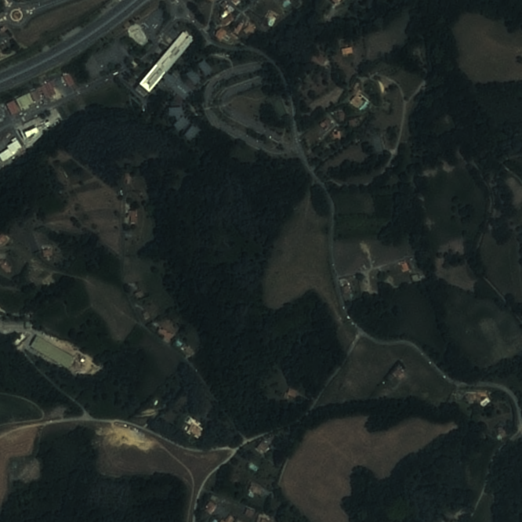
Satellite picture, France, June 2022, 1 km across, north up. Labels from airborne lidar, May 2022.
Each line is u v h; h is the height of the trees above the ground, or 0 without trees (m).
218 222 21
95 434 0
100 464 0
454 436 20
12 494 10
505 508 24
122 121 28
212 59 8
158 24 0
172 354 0
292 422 19
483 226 8
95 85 0
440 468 12
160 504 17
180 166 25
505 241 17
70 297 0
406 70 10
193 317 21
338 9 0
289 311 9
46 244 0
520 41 0
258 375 9
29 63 0
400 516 12
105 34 0
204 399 24
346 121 9
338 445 0
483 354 0
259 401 19
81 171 16
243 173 19
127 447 0
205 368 7
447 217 0
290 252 0
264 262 16
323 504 0
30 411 0
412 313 0
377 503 21
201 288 22
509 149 18
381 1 26
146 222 0
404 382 0
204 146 21
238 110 0
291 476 0
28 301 11
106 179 26
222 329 21
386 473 0
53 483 17
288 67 16
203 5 0
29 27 0
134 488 11
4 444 0
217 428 22
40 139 7
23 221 7
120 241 0
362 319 10
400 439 0
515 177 0
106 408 0
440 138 11
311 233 0
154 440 0
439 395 0
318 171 8
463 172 0
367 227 0
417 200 25
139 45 6
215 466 0
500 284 0
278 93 13
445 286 14
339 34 19
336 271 0
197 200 23
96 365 13
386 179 18
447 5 25
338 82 19
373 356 0
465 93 23
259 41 16
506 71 0
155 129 23
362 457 0
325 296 0
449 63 28
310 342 25
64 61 0
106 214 0
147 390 0
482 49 0
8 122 0
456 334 0
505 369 6
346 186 11
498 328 0
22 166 21
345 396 0
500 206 15
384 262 0
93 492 13
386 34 0
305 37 22
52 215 0
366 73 9
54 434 0
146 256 25
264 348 9
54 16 0
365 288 0
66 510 23
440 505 21
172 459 0
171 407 14
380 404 18
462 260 11
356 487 18
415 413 19
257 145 0
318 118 15
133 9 0
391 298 6
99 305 0
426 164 10
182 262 29
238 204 18
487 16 10
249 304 10
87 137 28
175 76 0
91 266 14
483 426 17
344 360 10
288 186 12
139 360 17
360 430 0
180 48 0
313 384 22
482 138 19
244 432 16
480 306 0
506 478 22
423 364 0
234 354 18
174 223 24
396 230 21
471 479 0
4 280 6
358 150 0
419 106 8
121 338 0
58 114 0
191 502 0
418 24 20
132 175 17
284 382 0
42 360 14
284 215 10
